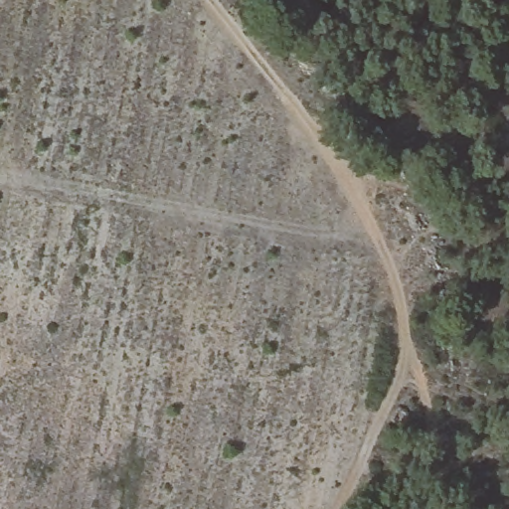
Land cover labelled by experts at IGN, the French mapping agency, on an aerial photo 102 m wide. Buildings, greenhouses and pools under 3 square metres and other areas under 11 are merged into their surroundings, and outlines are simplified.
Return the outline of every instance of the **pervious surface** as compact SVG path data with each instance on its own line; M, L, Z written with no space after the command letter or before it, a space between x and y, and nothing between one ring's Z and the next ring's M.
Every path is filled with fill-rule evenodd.
M370 237L384 270L388 272L388 282L392 288L394 308L398 316L396 332L400 356L396 364L394 382L378 410L344 406L344 416L332 416L338 433L334 433L328 439L332 441L334 449L340 449L340 457L336 463L336 481L342 481L342 487L332 489L334 503L328 509L344 509L350 497L360 487L362 477L370 471L372 449L384 425L390 422L392 408L396 406L398 394L404 386L412 386L418 392L424 406L431 408L431 398L422 362L410 330L412 308L406 300L400 268L404 266L406 256L412 253L412 247L406 243L396 253L388 249L386 237L380 231L378 221L372 213L372 205L376 203L378 195L378 179L376 175L358 177L350 169L346 159L338 159L332 147L320 141L322 127L316 117L304 109L302 101L290 91L290 87L284 84L278 72L272 68L270 60L266 58L268 52L260 50L254 44L253 38L245 34L243 24L239 20L239 12L231 8L239 0L201 0L205 8L211 10L219 24L229 32L231 40L247 54L254 70L270 84L276 97L286 107L290 117L290 143L304 147L310 157L318 155L326 161L336 179L338 191L344 193L348 205L360 217L366 235Z

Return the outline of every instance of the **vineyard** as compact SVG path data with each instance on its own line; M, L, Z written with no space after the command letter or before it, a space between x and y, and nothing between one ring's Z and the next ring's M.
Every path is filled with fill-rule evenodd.
M0 509L328 509L334 503L332 489L342 487L342 481L336 481L336 463L340 457L340 449L334 449L332 441L328 439L334 433L338 433L332 416L344 416L344 406L378 410L394 382L396 364L400 356L396 332L398 316L394 308L392 288L388 282L388 272L384 270L370 237L366 235L360 217L348 205L342 225L334 225L334 233L330 233L328 225L302 225L284 219L264 219L256 215L231 215L217 209L203 209L195 203L181 203L171 199L153 199L153 203L149 203L147 195L139 193L129 193L129 197L123 197L125 191L119 189L54 179L50 167L46 167L46 173L0 169Z

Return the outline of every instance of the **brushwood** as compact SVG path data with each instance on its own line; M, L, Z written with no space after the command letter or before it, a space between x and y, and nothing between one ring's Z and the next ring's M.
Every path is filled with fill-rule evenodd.
M439 300L449 292L441 290L439 294L431 294L429 290L414 294L412 308L410 330L422 362L425 358L429 358L431 364L447 362L447 352L441 352L435 344L431 324L427 320L435 316Z

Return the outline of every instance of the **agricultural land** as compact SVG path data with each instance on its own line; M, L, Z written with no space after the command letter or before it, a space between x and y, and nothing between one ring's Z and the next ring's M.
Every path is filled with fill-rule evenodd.
M326 161L318 155L310 157L304 147L290 143L290 117L286 107L276 97L270 84L254 70L247 54L231 40L229 32L219 24L211 10L205 8L201 0L0 0L0 169L46 173L46 167L50 167L54 179L119 189L125 191L123 197L129 197L129 193L139 193L147 195L149 203L153 203L153 199L171 199L181 203L195 203L203 209L217 209L231 215L256 215L264 219L284 219L302 225L328 225L330 233L334 233L334 225L342 225L348 205L344 193L338 191L336 179Z

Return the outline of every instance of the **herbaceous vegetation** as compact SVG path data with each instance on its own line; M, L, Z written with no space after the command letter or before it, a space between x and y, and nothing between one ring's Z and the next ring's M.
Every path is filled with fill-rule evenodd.
M338 95L328 85L322 87L316 82L316 68L302 62L298 54L276 48L272 44L266 44L260 50L268 52L266 58L270 60L272 68L278 72L284 84L290 87L290 91L302 101L304 109L316 117Z
M431 398L473 398L475 404L481 406L503 398L499 390L479 390L475 386L475 382L471 380L471 372L475 368L473 358L461 358L459 366L447 362L431 364L429 358L425 358L422 362Z
M406 243L412 247L412 253L406 256L404 266L400 268L406 300L412 308L414 294L429 290L433 284L451 278L451 274L463 274L463 258L445 254L445 247L453 245L459 239L455 233L449 233L447 229L435 229L435 217L425 205L422 193L414 191L414 177L406 177L404 173L400 173L394 179L378 179L378 195L376 203L372 205L372 213L378 221L380 231L386 237L388 249L396 253Z
M398 394L396 406L392 408L390 422L402 422L412 410L420 410L424 406L418 392L412 386L404 386Z

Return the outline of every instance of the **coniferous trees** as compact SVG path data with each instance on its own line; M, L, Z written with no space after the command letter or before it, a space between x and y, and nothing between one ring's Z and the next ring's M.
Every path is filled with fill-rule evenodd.
M320 141L332 147L338 159L346 159L350 169L358 177L376 175L378 179L394 179L400 173L404 173L406 177L414 177L414 191L422 193L425 205L435 217L435 229L447 229L449 233L455 233L459 239L453 245L445 247L445 254L463 258L463 274L451 274L451 278L433 284L429 290L431 294L439 294L441 290L449 292L439 300L435 316L427 320L431 324L435 344L441 352L447 352L447 362L459 366L461 358L473 358L475 368L471 372L471 380L475 382L475 386L479 390L499 390L503 398L481 406L475 404L473 398L431 398L431 408L424 406L420 410L412 410L402 422L390 422L384 425L372 449L370 471L362 477L360 487L350 497L344 509L509 509L509 0L239 0L231 8L239 12L239 20L243 24L245 34L253 38L254 44L260 50L266 44L272 44L276 48L298 54L302 62L316 68L316 82L322 87L328 85L338 95L316 117L322 127Z

